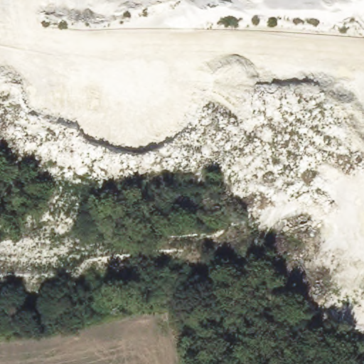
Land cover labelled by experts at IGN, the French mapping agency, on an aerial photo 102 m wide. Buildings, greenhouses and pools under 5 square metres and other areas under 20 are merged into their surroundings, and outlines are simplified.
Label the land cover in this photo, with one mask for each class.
<instances>
[{"label":"pervious surface","instance_id":"1","mask_svg":"<svg viewBox=\"0 0 364 364\"><path fill-rule=\"evenodd\" d=\"M0 139H6L14 154L36 155V159H40L38 165L41 171L50 172L55 179L67 178L71 183H81L80 179L74 178V173H87L91 179H97L102 185L107 179H117L134 173L162 171L193 172L198 176V181H203V168L218 164L227 188L232 189L233 195L246 200L247 215L243 219L230 218L229 229L225 233L223 230L209 233V239H213V242L229 243L237 255L243 257L250 245H263L267 233L273 229L276 232L277 250L279 255L286 259L287 270H293L294 267L304 270V282L309 284V294L318 306L341 307L343 301H350L355 328L364 333V0H0Z\"/></svg>","mask_w":364,"mask_h":364},{"label":"coniferous trees","instance_id":"2","mask_svg":"<svg viewBox=\"0 0 364 364\"><path fill-rule=\"evenodd\" d=\"M247 215L246 200L233 195L232 189L227 188L218 164L203 168V181H198V176L193 172L162 171L134 173L117 179H107L102 185L98 188L94 186L87 195L82 196L77 218L73 220L71 229L74 237L80 239V246L108 239L109 242L117 243L125 249H134L135 256L109 260L102 264L92 263L80 277H73L71 274L65 272L63 267H57L54 277L43 280L38 286L37 293L26 289L23 277L7 276L3 280L0 279V337L6 341L14 338L41 340L43 337L77 336L78 331L91 328L88 323L91 318L100 317L101 311L107 309L102 297L97 294L104 286L124 289L125 286L127 289L138 290L145 303H149L151 297H166L169 303L168 311L169 326L179 333L176 353L182 358L183 364H364V333L355 328L350 301H343L341 307L318 306L309 294V284L304 282V270L294 267L293 270H287L286 259L279 255L277 250L276 232L273 229L267 233L263 245H250L243 257L237 255L229 243L213 242V239H209V233L223 230L225 233L229 229L230 218L243 219Z\"/></svg>","mask_w":364,"mask_h":364},{"label":"agricultural land","instance_id":"3","mask_svg":"<svg viewBox=\"0 0 364 364\"><path fill-rule=\"evenodd\" d=\"M179 333L169 326L168 311L164 316L142 314L122 317L117 323L91 328L78 331L77 336L43 337L41 340L14 338L6 341L0 337V364H183L182 358L176 353Z\"/></svg>","mask_w":364,"mask_h":364},{"label":"brushwood","instance_id":"4","mask_svg":"<svg viewBox=\"0 0 364 364\"><path fill-rule=\"evenodd\" d=\"M40 159H36V155L14 154L6 139H0V226L3 229L10 227L16 230L26 225V216L30 215L31 210H37L41 202L53 198L55 179L50 172L41 171L38 165ZM97 294L102 297L107 309L101 311L100 317L91 318L88 323L91 328L117 323L122 317L142 314L164 316L168 311L169 303L166 297H151L149 303H145L138 290L127 289L125 286L124 289L104 286Z\"/></svg>","mask_w":364,"mask_h":364},{"label":"herbaceous vegetation","instance_id":"5","mask_svg":"<svg viewBox=\"0 0 364 364\"><path fill-rule=\"evenodd\" d=\"M74 178L80 179L81 183H71L67 178L55 179L53 198L41 202L37 210H31L30 215L26 216V225L16 230L10 227L3 229L0 226V242H18L21 239L37 237L43 227L44 213L54 216L64 213L73 220L77 218L82 196L87 195L94 186L98 188L102 185L97 179H91L87 173H74ZM65 239H71L73 243L65 255L58 257L55 264L0 260V279L3 280L7 276L23 277L26 289L37 293L38 286L43 280L54 277L57 267H63L65 272L71 274L90 257L107 256L109 260L135 256L134 249H125L117 243L109 242L108 239L80 246V239L74 237L71 229L64 233H57L55 230L50 233V249L63 246Z\"/></svg>","mask_w":364,"mask_h":364},{"label":"bare soil","instance_id":"6","mask_svg":"<svg viewBox=\"0 0 364 364\"><path fill-rule=\"evenodd\" d=\"M73 220L64 213L54 216L44 213L43 227L37 237L21 239L18 242H0V260L55 264L58 257L65 255L73 243L71 239H65L63 246L50 249V233L55 230L57 233H64L71 229ZM109 260L107 256L90 257L71 274L73 277H80L92 263L102 264Z\"/></svg>","mask_w":364,"mask_h":364}]
</instances>
